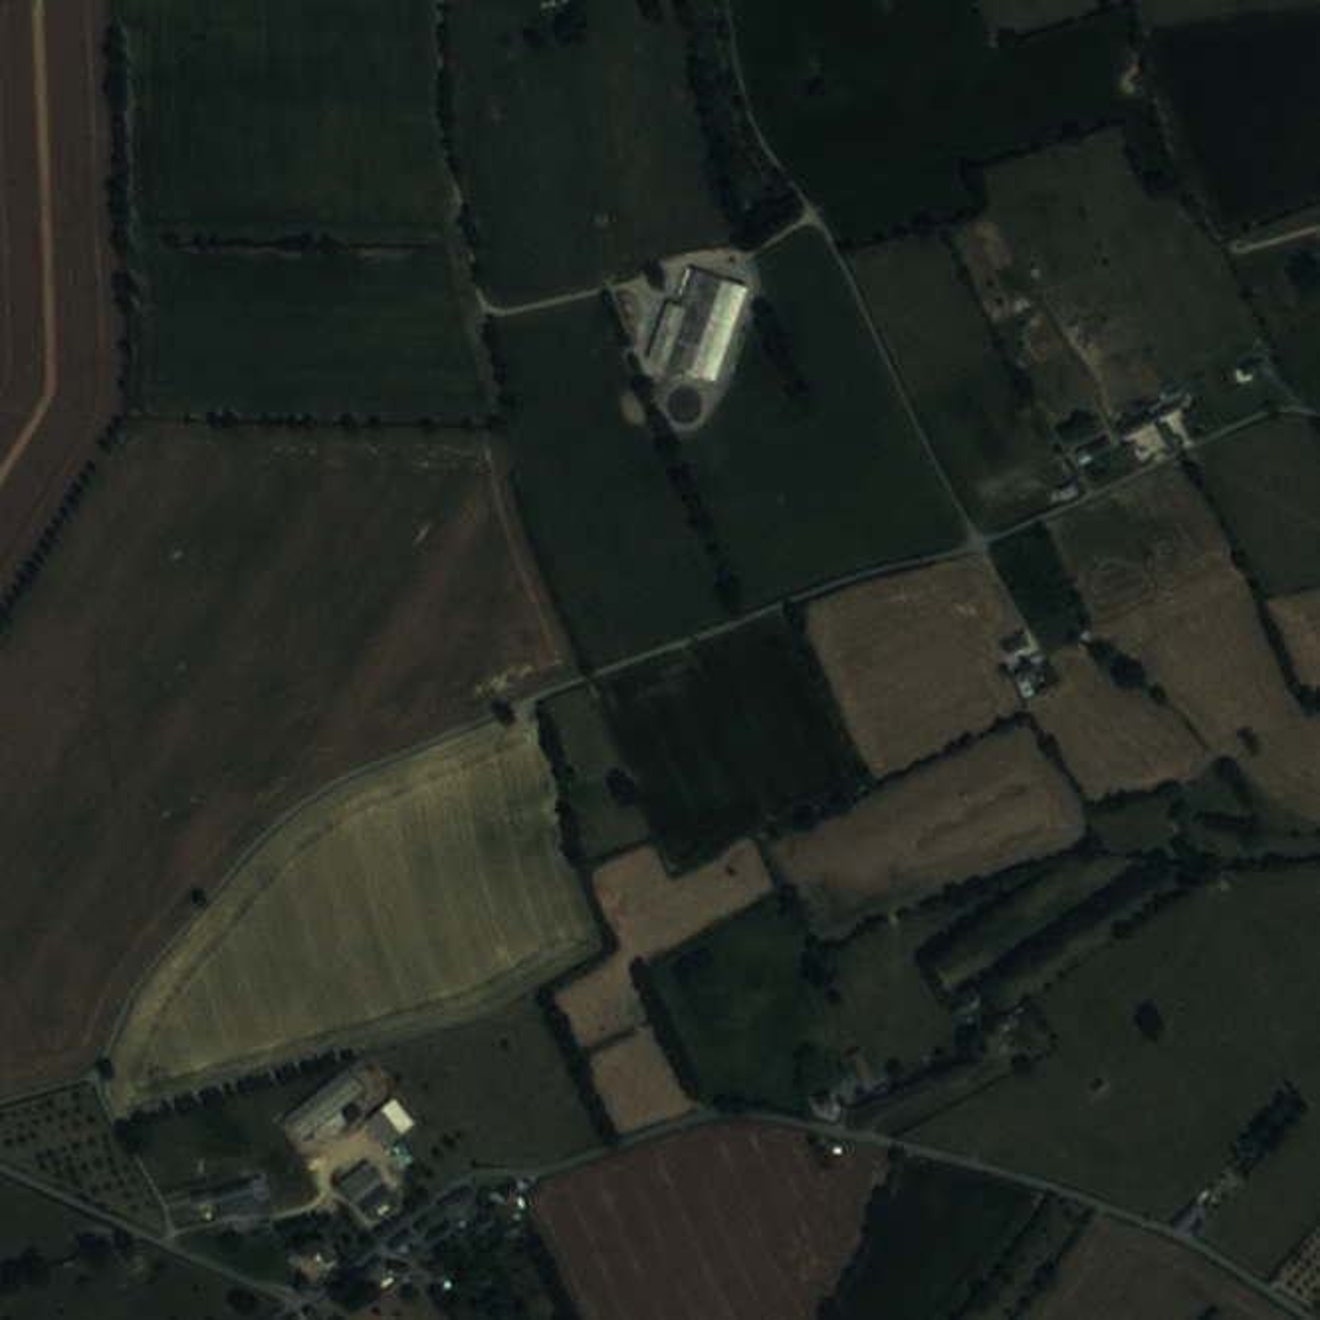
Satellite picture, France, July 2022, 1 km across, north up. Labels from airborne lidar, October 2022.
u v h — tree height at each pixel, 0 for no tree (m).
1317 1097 0
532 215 0
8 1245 0
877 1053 0
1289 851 0
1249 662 0
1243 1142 8
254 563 0
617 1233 0
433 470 0
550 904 0
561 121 0
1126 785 0
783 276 0
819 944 14
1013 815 0
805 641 8
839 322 0
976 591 0
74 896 0
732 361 0
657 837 0
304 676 0
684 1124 0
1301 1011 0
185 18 0
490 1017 0
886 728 0
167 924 0
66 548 0
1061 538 0
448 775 0
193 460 0
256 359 0
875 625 0
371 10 0
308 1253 15
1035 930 0
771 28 0
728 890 0
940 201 0
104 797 0
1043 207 0
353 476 0
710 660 0
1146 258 0
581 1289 0
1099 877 0
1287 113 0
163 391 0
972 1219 0
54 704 0
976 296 7
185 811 0
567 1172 0
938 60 0
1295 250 0
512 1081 0
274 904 0
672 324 0
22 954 0
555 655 0
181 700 0
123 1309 0
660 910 0
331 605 0
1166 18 0
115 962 0
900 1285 0
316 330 0
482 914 0
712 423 0
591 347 0
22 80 0
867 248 7
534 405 0
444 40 10
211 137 0
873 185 0
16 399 0
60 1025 0
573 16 17
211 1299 0
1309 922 0
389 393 0
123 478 0
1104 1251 0
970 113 0
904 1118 0
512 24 0
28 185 0
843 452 0
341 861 0
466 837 0
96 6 0
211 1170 0
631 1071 0
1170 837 0
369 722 0
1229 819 8
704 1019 0
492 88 0
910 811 0
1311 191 0
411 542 0
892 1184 9
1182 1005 0
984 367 0
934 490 0
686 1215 0
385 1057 0
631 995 0
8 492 0
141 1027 0
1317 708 14
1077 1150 0
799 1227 0
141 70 0
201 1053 0
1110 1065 0
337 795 0
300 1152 0
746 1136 0
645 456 0
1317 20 0
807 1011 0
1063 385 0
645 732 0
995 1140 0
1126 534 0
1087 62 0
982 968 0
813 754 0
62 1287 0
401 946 0
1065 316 0
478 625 0
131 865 0
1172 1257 0
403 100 0
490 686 0
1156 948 0
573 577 0
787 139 0
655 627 0
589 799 0
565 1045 15
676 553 0
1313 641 0
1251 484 0
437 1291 13
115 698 0
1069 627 0
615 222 0
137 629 0
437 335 0
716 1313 0
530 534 5
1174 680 0
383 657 0
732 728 0
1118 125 5
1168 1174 0
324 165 0
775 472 0
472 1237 8
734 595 18
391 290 0
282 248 8
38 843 0
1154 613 0
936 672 0
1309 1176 0
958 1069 7
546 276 0
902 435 0
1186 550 0
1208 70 0
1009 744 0
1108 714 0
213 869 0
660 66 0
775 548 0
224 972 0
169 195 0
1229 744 0
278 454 0
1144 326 0
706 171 0
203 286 0
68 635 0
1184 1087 0
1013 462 0
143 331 0
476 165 0
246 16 0
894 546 0
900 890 0
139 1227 0
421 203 0
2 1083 0
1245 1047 0
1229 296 0
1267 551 0
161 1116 8
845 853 0
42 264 0
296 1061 0
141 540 0
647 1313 0
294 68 0
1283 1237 0
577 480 0
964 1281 0
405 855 0
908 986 0
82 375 0
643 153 0
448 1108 0
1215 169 0
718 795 0
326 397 0
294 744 0
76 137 0
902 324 0
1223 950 0
